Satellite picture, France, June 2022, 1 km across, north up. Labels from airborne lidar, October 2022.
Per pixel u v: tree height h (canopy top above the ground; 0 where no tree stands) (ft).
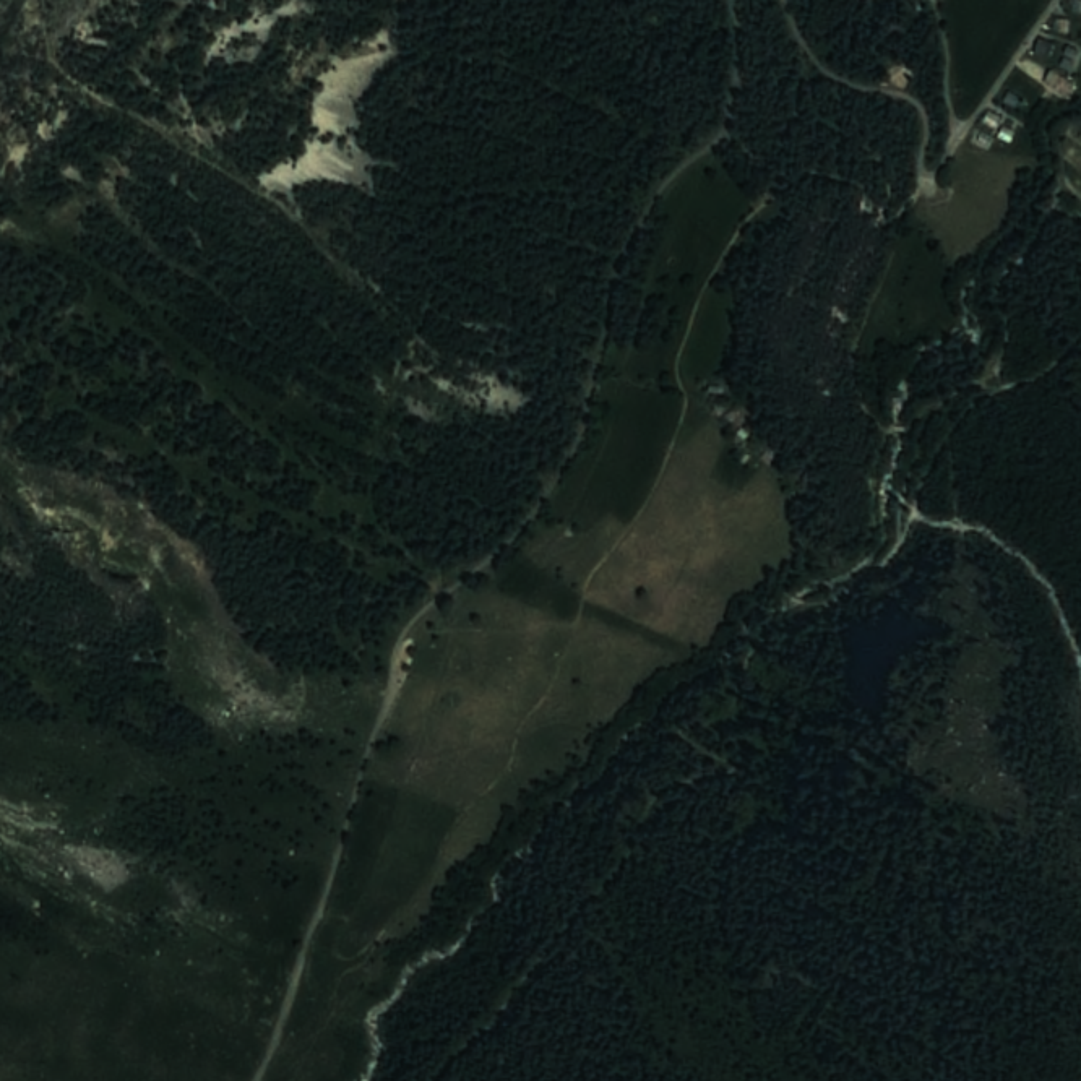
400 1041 23
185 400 78
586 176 90
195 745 54
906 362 37
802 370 60
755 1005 38
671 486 0
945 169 39
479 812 0
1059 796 26
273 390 39
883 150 59
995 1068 29
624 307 91
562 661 0
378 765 0
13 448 27
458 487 40
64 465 25
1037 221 71
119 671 62
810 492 20
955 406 33
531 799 42
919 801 25
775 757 36
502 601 0
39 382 64
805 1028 42
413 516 49
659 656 0
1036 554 25
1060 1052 25
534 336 99
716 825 81
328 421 53
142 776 0
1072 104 39
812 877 108
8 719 32
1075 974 30
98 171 63
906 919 91
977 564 35
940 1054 24
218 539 65
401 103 81
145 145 27
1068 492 25
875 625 103
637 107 52
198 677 0
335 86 0
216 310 53
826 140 66
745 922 86
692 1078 31
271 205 26
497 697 0
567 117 79
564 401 87
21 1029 0
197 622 0
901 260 0
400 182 76
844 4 78
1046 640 24
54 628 51
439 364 24
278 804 0
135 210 40
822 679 75
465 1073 39
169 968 0
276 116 22
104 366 52
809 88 81
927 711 30
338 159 0
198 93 82
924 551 67
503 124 74
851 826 67
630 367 0
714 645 37
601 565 0
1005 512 23
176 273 35
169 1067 0
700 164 0
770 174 72
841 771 26
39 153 20
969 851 29
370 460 36
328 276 49
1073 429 28
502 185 91
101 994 0
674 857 77
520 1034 72
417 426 103
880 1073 20
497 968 24
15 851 0
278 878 25
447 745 0
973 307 31
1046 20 0
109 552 59
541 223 63
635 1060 88
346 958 0
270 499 60
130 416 42
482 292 79
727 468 0
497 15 80
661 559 0
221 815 40
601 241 62
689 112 90
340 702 0
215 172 23
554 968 50
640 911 44
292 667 44
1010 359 28
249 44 27
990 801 0
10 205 64
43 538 28
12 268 71
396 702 0
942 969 39
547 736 0
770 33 71
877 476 22
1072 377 19
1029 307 40
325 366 67
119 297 31
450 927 43
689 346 0
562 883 62
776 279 35
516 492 96
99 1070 0
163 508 63
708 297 0
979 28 0
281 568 88
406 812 0
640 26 90
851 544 80
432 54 26
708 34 63
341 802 0
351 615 72
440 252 47
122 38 43
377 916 0
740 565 0
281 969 0
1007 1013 25
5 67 31
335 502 0
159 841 28
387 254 41
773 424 104
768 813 24
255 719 0
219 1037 0
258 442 44
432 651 0
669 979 28
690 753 71
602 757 69
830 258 46
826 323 37
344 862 20
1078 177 0
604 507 0
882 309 0
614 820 70
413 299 44
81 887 0
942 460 33
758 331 46
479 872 49
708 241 0
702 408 0
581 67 83
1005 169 0
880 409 36
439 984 22
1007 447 20
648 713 53
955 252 0
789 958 34
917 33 55
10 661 32
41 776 20
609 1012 79
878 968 101
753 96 88
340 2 73
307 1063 0
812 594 23
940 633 68
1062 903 39
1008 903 61
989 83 0
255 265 60
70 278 90
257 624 53
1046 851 50
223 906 0
